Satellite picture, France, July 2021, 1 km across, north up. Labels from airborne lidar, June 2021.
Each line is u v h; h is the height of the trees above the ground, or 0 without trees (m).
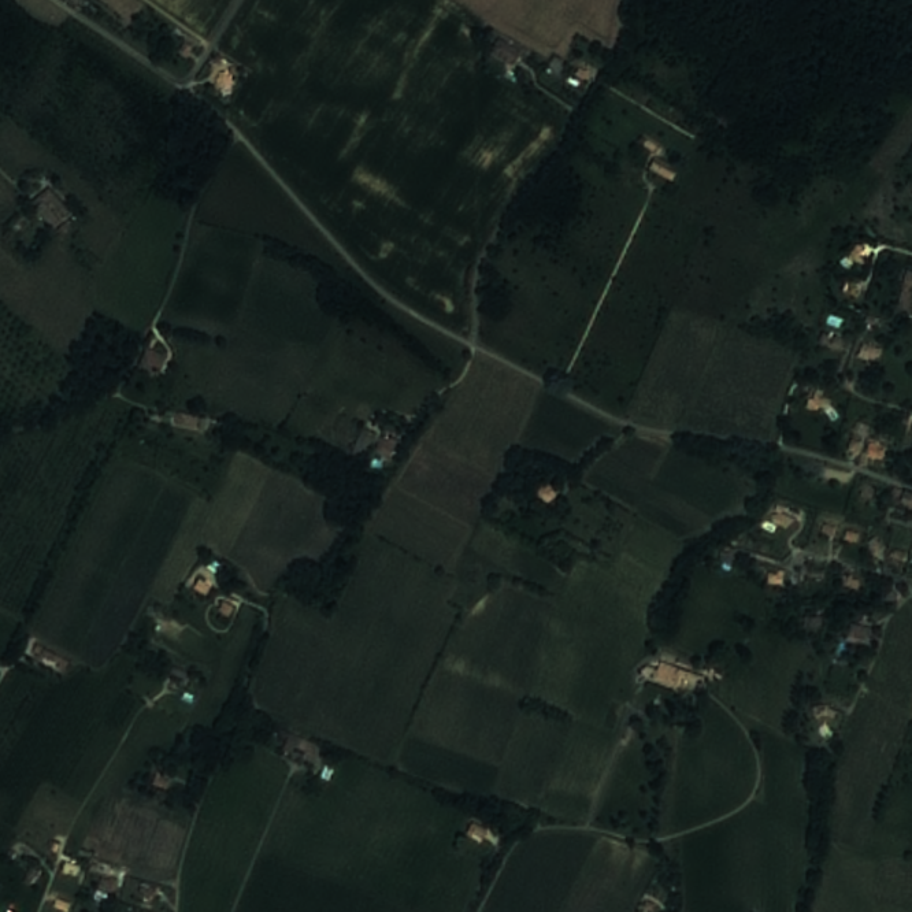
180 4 0
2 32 12
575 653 0
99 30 0
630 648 0
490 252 12
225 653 0
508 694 0
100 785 0
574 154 9
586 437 0
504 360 0
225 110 5
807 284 0
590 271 6
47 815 0
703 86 6
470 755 0
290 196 0
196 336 13
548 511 15
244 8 0
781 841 0
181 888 0
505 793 0
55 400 18
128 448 0
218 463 9
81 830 0
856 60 17
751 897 0
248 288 0
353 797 0
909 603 0
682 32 15
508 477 12
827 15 26
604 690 0
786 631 7
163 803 9
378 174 0
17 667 7
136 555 0
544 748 0
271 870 0
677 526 0
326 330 0
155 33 10
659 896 0
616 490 0
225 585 12
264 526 0
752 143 17
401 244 0
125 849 0
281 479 0
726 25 18
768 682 0
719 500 0
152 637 0
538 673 0
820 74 18
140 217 0
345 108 0
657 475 0
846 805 0
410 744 0
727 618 0
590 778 0
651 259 0
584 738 0
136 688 0
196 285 0
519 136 0
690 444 15
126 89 6
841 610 18
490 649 0
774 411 0
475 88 0
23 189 9
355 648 0
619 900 0
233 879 0
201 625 0
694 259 0
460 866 0
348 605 0
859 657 12
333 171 0
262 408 0
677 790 0
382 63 0
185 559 0
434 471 0
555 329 0
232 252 0
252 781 0
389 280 0
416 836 0
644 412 0
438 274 0
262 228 0
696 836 0
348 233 0
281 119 0
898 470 7
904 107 0
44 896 0
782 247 0
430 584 0
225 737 13
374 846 0
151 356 0
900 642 0
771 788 0
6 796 0
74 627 0
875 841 0
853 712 0
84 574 0
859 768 0
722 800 0
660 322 7
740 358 0
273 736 15
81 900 7
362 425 11
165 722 0
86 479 8
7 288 0
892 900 0
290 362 0
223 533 0
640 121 0
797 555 0
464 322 0
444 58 0
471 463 0
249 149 0
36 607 12
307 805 0
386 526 0
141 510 0
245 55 0
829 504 0
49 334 0
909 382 0
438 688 0
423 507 0
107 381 18
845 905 0
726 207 0
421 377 0
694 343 0
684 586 15
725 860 0
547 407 0
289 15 0
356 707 0
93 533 0
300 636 0
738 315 0
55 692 0
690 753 0
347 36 0
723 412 0
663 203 0
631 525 0
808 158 9
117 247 0
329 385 0
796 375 8
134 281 0
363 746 0
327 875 0
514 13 0
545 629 0
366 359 0
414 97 0
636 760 0
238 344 0
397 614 0
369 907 0
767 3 16
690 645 0
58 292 0
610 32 0
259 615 6
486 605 0
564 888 0
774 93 17
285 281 0
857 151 9
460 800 15
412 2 0
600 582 0
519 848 0
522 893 0
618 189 0
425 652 0
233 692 8
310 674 0
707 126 6
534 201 16
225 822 0
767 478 19
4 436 23
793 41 24
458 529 0
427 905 0
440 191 0
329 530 0
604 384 0
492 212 0
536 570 0
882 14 8
